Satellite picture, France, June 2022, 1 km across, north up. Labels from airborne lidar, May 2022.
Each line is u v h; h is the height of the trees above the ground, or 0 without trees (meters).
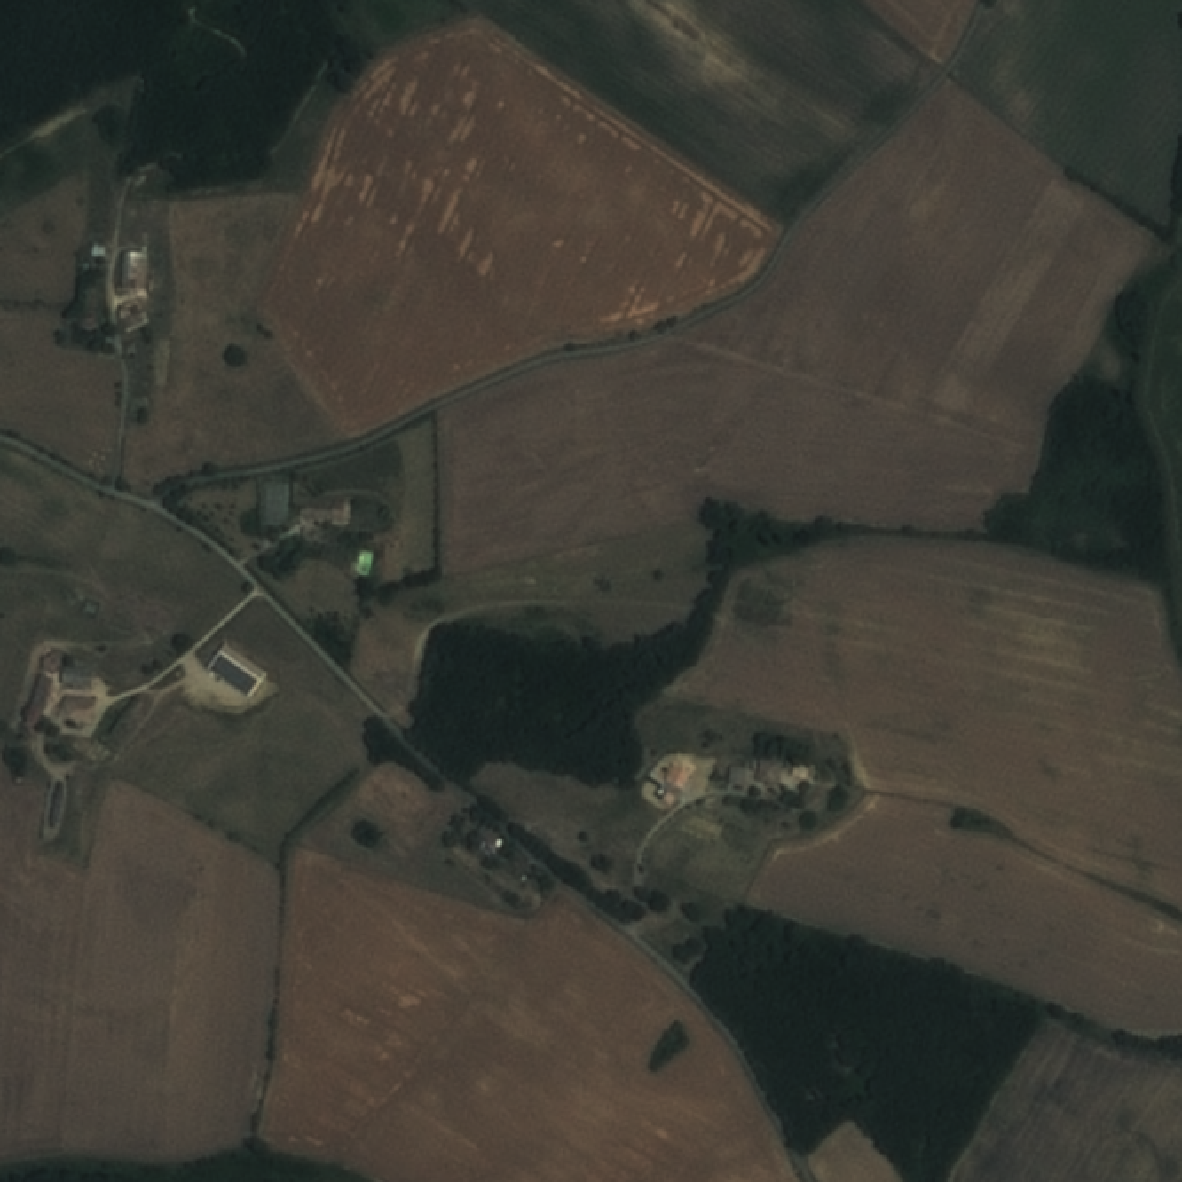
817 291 0
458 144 0
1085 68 0
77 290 9
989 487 0
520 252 0
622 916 12
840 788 8
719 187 0
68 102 14
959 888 0
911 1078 20
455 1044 0
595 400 0
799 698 0
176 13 14
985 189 0
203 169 17
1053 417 7
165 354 0
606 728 18
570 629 0
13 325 0
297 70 10
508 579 0
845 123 0
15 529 0
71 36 14
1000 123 0
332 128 0
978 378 0
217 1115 0
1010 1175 0
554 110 0
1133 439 8
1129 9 0
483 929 0
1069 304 0
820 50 0
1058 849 0
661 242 0
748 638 0
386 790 0
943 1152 14
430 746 15
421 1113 0
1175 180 12
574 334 0
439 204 0
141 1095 0
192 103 10
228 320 0
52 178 0
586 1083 0
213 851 0
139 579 0
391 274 0
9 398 0
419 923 0
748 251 0
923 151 0
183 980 0
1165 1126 0
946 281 0
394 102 0
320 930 0
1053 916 0
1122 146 0
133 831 0
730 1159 0
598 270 0
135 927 0
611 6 0
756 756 8
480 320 0
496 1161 0
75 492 0
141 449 0
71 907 0
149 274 0
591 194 0
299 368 0
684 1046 6
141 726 0
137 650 0
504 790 0
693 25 0
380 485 0
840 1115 16
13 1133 0
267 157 15
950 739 0
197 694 0
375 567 0
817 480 0
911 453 0
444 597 0
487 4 0
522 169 0
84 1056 0
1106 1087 0
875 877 0
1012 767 0
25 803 0
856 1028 16
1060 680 0
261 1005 0
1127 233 0
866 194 0
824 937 9
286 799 0
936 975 16
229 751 0
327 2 23
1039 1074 0
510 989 0
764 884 0
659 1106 0
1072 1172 0
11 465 0
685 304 0
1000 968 0
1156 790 0
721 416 0
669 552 0
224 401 0
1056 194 0
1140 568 8
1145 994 0
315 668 0
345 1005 0
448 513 0
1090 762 0
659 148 0
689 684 0
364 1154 0
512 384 0
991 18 0
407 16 0
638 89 0
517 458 0
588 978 0
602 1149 0
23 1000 0
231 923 0
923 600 0
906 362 0
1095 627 0
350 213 0
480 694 17
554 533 0
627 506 0
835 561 0
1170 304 0
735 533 14
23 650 0
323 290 0
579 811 0
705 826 0
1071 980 0
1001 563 0
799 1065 15
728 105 0
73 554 0
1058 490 7
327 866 0
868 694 0
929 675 0
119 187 0
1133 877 0
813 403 0
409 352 0
